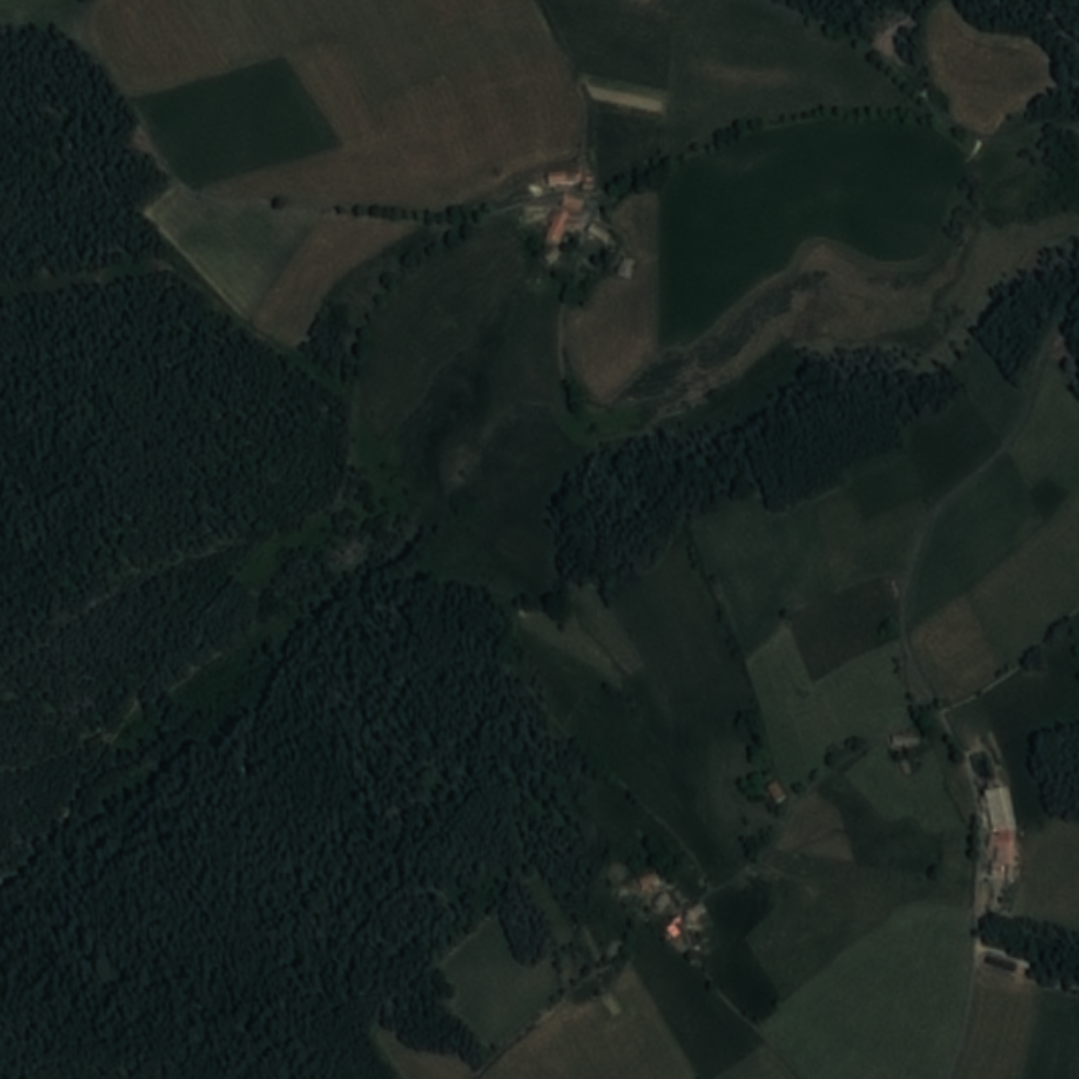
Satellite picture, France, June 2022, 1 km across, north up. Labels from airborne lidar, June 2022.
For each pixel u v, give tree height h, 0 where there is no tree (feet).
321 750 45
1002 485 0
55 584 50
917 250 0
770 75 0
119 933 82
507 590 0
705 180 0
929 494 0
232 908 88
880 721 0
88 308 64
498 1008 0
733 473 65
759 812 0
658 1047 0
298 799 69
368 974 69
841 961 0
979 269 0
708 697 0
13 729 53
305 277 0
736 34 0
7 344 73
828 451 69
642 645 0
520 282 0
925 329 0
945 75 0
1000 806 0
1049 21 59
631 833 0
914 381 58
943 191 0
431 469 0
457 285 0
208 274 0
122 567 66
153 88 0
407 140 0
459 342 0
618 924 0
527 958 44
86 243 48
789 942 0
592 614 0
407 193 0
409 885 55
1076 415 0
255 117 0
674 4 0
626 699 28
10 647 66
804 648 0
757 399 0
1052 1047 0
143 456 73
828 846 0
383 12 0
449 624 77
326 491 48
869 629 0
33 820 53
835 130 0
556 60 0
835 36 41
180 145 0
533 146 0
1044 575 0
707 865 0
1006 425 0
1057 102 76
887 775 0
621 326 0
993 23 37
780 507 48
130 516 64
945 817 0
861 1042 0
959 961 0
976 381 0
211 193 0
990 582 0
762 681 0
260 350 66
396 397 0
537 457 0
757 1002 0
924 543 0
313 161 0
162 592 81
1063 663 0
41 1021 84
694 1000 0
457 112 0
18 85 64
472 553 0
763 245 0
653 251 0
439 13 0
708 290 0
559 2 0
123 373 71
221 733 18
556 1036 0
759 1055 0
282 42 0
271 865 82
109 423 68
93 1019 47
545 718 35
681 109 0
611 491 46
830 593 0
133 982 64
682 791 0
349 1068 64
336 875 95
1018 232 0
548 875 63
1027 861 0
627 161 0
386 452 0
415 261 50
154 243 71
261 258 0
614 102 0
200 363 66
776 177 0
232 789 87
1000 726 0
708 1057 0
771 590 0
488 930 0
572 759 56
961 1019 0
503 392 0
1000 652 0
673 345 0
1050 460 0
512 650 46
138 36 0
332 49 0
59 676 42
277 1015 62
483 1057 29
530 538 0
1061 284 74
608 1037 0
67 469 36
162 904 82
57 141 25
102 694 35
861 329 0
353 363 50
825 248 0
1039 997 0
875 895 0
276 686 60
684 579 0
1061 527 0
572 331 0
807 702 0
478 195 0
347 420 50
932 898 0
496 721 64
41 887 85
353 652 86
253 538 41
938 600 0
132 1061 60
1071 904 0
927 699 0
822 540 0
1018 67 0
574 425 0
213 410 77
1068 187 22
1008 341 79
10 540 67
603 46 0
